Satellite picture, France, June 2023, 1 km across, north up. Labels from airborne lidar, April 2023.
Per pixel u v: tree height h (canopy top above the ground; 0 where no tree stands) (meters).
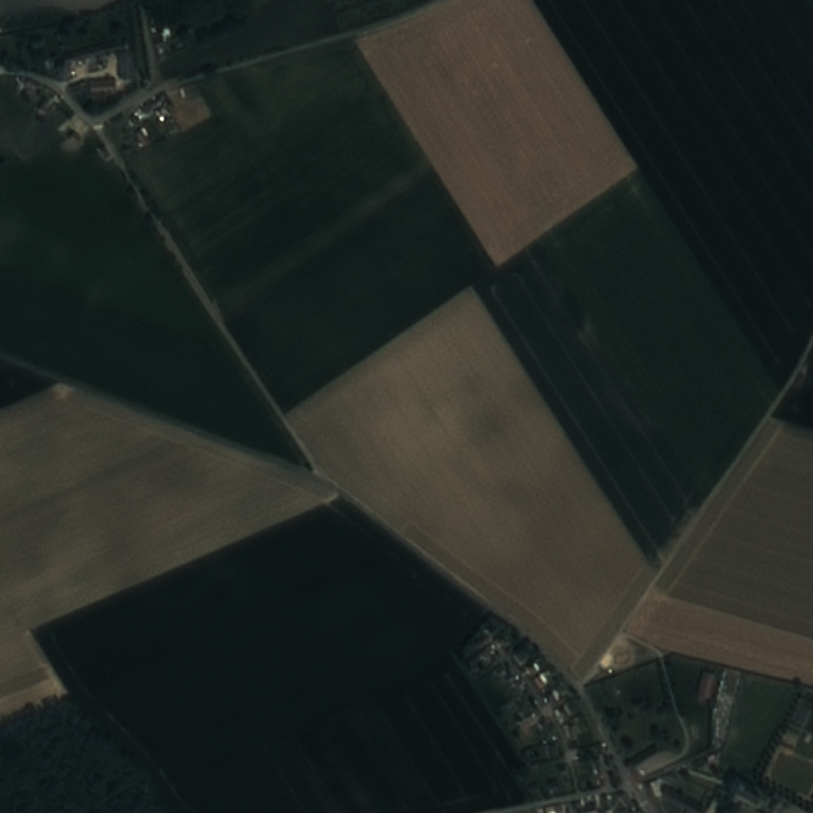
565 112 0
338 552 0
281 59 0
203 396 0
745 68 0
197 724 0
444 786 0
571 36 0
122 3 7
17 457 0
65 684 0
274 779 0
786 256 0
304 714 0
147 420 0
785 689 0
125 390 0
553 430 0
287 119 0
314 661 0
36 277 0
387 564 0
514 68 0
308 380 0
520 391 0
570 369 0
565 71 0
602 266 0
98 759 21
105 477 0
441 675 0
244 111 0
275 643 0
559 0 0
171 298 0
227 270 0
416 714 0
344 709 0
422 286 0
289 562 0
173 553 0
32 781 15
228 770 0
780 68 0
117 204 0
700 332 0
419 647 0
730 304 0
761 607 0
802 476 0
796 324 0
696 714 0
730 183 0
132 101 0
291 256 0
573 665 0
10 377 0
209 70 15
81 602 0
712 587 0
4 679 0
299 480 0
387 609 0
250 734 0
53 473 0
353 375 0
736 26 0
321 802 0
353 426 0
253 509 0
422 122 0
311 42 0
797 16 0
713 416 0
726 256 0
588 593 0
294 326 0
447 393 0
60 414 0
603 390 0
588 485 0
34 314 0
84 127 0
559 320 0
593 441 0
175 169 0
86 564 0
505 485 0
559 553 0
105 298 0
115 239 0
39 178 0
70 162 0
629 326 0
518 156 0
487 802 0
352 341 0
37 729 21
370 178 0
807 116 0
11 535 0
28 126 0
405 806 0
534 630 0
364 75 0
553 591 0
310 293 0
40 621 0
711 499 0
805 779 0
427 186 0
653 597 0
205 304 0
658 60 0
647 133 0
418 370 0
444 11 0
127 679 0
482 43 0
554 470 0
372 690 0
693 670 0
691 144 0
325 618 0
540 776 0
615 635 0
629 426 0
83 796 23
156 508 0
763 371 0
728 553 0
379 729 0
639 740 0
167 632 0
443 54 0
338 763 0
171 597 0
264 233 0
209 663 0
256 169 0
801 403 0
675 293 0
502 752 0
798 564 0
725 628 0
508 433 0
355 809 0
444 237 0
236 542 0
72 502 0
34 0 0
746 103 0
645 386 0
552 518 0
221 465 0
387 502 0
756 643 0
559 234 0
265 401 0
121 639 0
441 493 0
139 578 0
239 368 0
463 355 0
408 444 0
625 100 0
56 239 0
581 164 0
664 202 0
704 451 0
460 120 0
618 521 0
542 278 0
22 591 0
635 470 0
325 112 0
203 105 0
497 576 0
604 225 0
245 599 0
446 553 0
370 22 0
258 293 0
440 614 0
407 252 0
